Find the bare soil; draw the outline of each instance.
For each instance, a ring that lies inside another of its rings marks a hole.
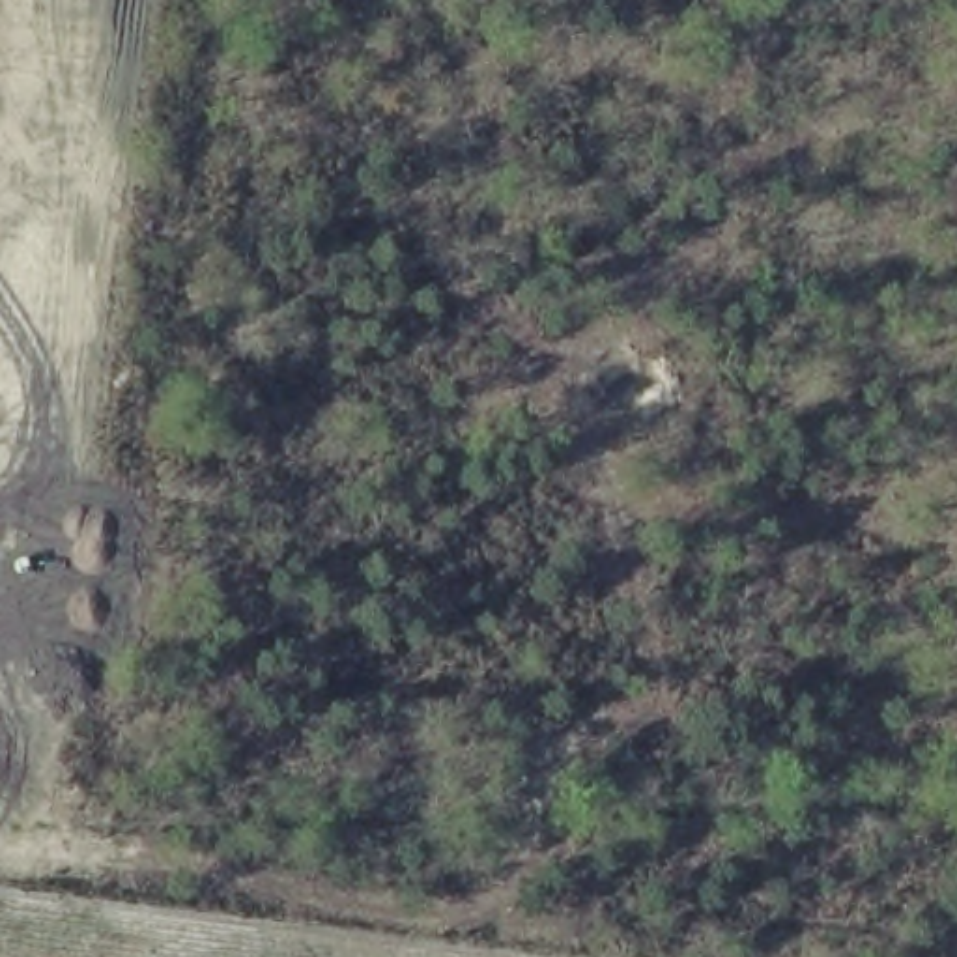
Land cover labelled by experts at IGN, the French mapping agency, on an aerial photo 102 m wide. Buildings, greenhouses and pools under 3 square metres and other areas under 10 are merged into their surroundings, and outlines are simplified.
[[[673,393],[669,363],[654,359],[647,370],[650,385],[639,393],[643,407],[662,404]]]

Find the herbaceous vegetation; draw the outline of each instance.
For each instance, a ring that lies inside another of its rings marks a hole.
[[[127,265],[127,243],[112,258],[108,295],[97,310],[93,336],[97,344],[116,344],[138,314],[138,284],[135,269]]]
[[[295,191],[299,183],[314,179],[299,164],[299,157],[307,153],[310,116],[303,108],[280,108],[265,97],[269,90],[277,90],[269,67],[228,67],[221,56],[213,67],[209,153],[202,161],[202,172],[232,183],[232,176],[243,168],[254,176],[258,194],[273,202],[284,202]]]
[[[243,355],[262,359],[284,348],[310,348],[303,303],[288,299],[277,310],[265,310],[262,299],[243,307],[243,321],[236,325],[236,333],[213,351],[194,348],[187,355],[183,374],[194,374],[209,393],[221,389],[221,381],[239,366]]]
[[[191,486],[172,464],[157,464],[157,486],[150,486],[142,497],[150,512],[146,550],[153,557],[150,583],[142,583],[138,591],[142,621],[150,598],[157,606],[179,609],[191,591],[202,591],[209,579],[206,512],[221,505],[224,490],[217,482]]]
[[[572,837],[553,826],[557,785],[564,770],[572,759],[591,759],[598,740],[613,733],[628,744],[617,751],[609,778],[639,807],[639,815],[658,815],[665,830],[684,849],[692,849],[688,867],[710,871],[718,856],[733,856],[740,864],[751,852],[733,845],[718,830],[721,819],[729,811],[729,789],[710,793],[699,774],[699,763],[684,759],[677,733],[677,718],[692,699],[688,692],[699,673],[692,662],[677,662],[684,647],[677,639],[680,621],[673,613],[662,613],[662,587],[669,583],[677,564],[647,557],[639,550],[639,535],[654,520],[669,520],[677,527],[680,520],[703,516],[710,505],[729,508],[729,501],[748,482],[744,467],[736,464],[736,452],[729,449],[733,430],[751,430],[751,445],[763,456],[763,475],[785,475],[785,452],[770,434],[770,415],[793,415],[807,441],[807,456],[793,479],[811,497],[867,497],[875,505],[882,497],[886,475],[912,475],[935,501],[935,516],[927,520],[923,542],[942,542],[950,553],[946,564],[942,572],[950,587],[942,587],[938,598],[927,606],[920,606],[916,576],[908,572],[901,572],[890,587],[867,591],[871,613],[849,609],[841,624],[841,654],[804,658],[778,684],[796,699],[811,695],[815,721],[822,729],[837,729],[837,744],[811,744],[800,759],[811,774],[819,781],[830,774],[845,785],[856,763],[886,759],[901,770],[901,785],[893,796],[908,807],[923,785],[923,759],[916,751],[935,744],[938,733],[946,740],[957,740],[957,0],[935,0],[935,11],[912,19],[916,56],[927,67],[920,82],[908,82],[901,71],[893,71],[867,49],[852,56],[834,56],[819,86],[793,93],[778,108],[766,108],[755,93],[759,67],[733,49],[729,67],[718,79],[710,79],[703,56],[677,56],[677,26],[650,34],[647,41],[636,41],[609,0],[606,0],[591,7],[587,26],[576,26],[553,19],[553,0],[523,0],[535,22],[535,49],[520,64],[508,64],[490,49],[482,26],[493,0],[434,0],[434,11],[445,19],[452,41],[471,56],[467,67],[475,75],[475,101],[501,120],[508,101],[531,82],[535,71],[542,71],[553,86],[561,79],[579,79],[594,67],[621,67],[613,97],[594,105],[591,123],[613,131],[632,127],[636,116],[665,120],[665,127],[647,142],[647,150],[613,146],[606,153],[609,164],[639,164],[639,172],[628,176],[621,191],[632,202],[636,228],[643,232],[643,250],[628,254],[617,236],[617,224],[606,213],[606,194],[613,191],[602,179],[557,191],[542,187],[535,194],[520,187],[520,202],[508,213],[493,209],[493,202],[486,198],[486,179],[493,172],[445,172],[415,187],[415,202],[426,206],[426,224],[422,232],[404,232],[396,243],[404,277],[400,303],[419,307],[426,318],[434,318],[441,340],[456,340],[467,321],[493,329],[493,359],[482,363],[479,351],[471,351],[471,359],[460,363],[460,374],[467,381],[456,385],[460,396],[456,404],[449,404],[460,422],[452,422],[445,437],[449,445],[467,452],[490,449],[490,434],[501,430],[501,411],[516,396],[523,404],[527,426],[538,437],[550,437],[553,426],[572,430],[572,441],[550,460],[564,467],[561,486],[579,493],[576,505],[564,505],[553,493],[535,493],[535,505],[561,508],[568,516],[557,538],[579,542],[579,564],[564,587],[572,594],[609,598],[613,598],[613,594],[624,594],[624,598],[632,602],[636,624],[647,628],[639,658],[632,669],[621,665],[609,677],[624,692],[624,699],[598,707],[594,714],[583,714],[579,729],[568,733],[564,744],[542,751],[523,748],[508,740],[490,740],[486,707],[482,699],[467,695],[437,699],[415,733],[363,736],[355,744],[344,744],[336,748],[336,755],[318,755],[310,748],[303,755],[284,759],[284,766],[273,778],[310,781],[318,789],[321,781],[340,778],[344,785],[363,785],[366,793],[389,796],[411,826],[407,837],[422,849],[422,882],[434,893],[434,901],[415,920],[404,920],[396,897],[400,878],[385,878],[374,871],[363,890],[340,890],[318,875],[310,875],[292,852],[292,837],[299,830],[295,819],[277,815],[265,830],[250,856],[236,856],[221,841],[209,852],[198,852],[187,830],[176,830],[150,834],[142,841],[138,871],[164,871],[168,893],[187,897],[191,908],[247,920],[288,920],[393,935],[404,942],[475,942],[535,957],[587,957],[591,931],[602,931],[609,923],[602,916],[598,897],[587,908],[564,908],[550,901],[550,916],[523,912],[516,905],[520,893],[512,890],[512,878],[523,867],[531,867],[542,852],[550,852],[568,871],[579,856],[583,837]],[[699,176],[673,150],[684,138],[684,112],[695,101],[703,105],[703,123],[740,116],[748,127],[748,146],[729,150],[710,172],[721,183],[721,206],[714,217],[703,217],[699,198],[688,202],[680,217],[662,209],[677,183]],[[931,157],[931,176],[946,187],[942,202],[923,202],[916,191],[897,183],[897,164],[920,153]],[[520,310],[520,288],[546,269],[572,269],[572,284],[557,288],[553,295],[538,295],[538,307]],[[695,318],[718,333],[721,348],[714,355],[703,355],[688,340],[673,336],[658,318],[658,299],[673,299],[695,310]],[[770,370],[766,385],[748,381],[759,340],[793,348],[793,355]],[[673,393],[662,404],[643,407],[639,393],[650,385],[647,370],[654,359],[669,363]],[[650,460],[669,479],[658,490],[658,497],[647,497],[643,505],[624,501],[621,482],[613,475],[613,452],[621,452],[632,441],[643,441],[650,449]],[[953,692],[916,692],[908,684],[901,662],[912,654],[920,639],[938,650],[950,650]],[[464,789],[479,815],[508,837],[497,867],[452,871],[445,864],[445,852],[437,849],[437,834],[426,811],[434,800],[456,789]]]
[[[138,153],[150,142],[150,131],[157,127],[153,90],[138,82],[127,138],[116,138],[123,191],[135,191],[157,187],[157,168],[150,168]]]
[[[396,56],[396,30],[393,22],[378,22],[359,60],[333,60],[325,90],[333,97],[333,108],[366,112],[370,105],[381,105],[385,112],[396,112],[419,127],[415,142],[430,142],[437,127],[452,120],[449,75],[437,56],[430,56],[407,79],[381,86],[374,71]]]
[[[796,938],[804,946],[800,957],[957,957],[957,834],[946,822],[935,822],[931,830],[908,837],[878,871],[860,871],[849,882],[841,882],[837,893],[826,893],[815,916],[804,920],[804,935]]]

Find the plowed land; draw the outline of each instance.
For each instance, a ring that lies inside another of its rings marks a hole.
[[[97,703],[105,688],[105,669],[112,654],[127,647],[131,632],[142,624],[142,621],[138,591],[142,583],[150,583],[153,557],[146,550],[150,512],[142,497],[97,475],[101,449],[93,445],[93,426],[97,411],[108,407],[105,374],[116,344],[97,344],[93,336],[97,310],[108,295],[112,258],[127,243],[135,191],[123,191],[116,138],[127,138],[138,82],[153,0],[0,0],[0,897],[7,890],[22,890],[26,875],[56,875],[60,867],[67,867],[79,878],[101,871],[138,871],[142,841],[108,837],[112,807],[101,807],[79,785],[71,785],[71,770],[90,759],[93,733],[82,707]]]

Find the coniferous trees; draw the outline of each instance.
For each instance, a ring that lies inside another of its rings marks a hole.
[[[632,632],[636,624],[632,602],[624,598],[624,594],[613,594],[613,598],[609,598],[609,606],[606,606],[606,609],[609,609],[609,632]]]
[[[415,920],[434,901],[434,893],[422,882],[422,849],[407,837],[396,845],[404,867],[400,878],[396,897],[404,920]]]
[[[733,845],[751,852],[763,845],[755,822],[721,819],[718,830]]]
[[[482,26],[490,49],[508,64],[520,64],[535,49],[535,22],[523,0],[493,0]]]
[[[381,602],[366,598],[359,606],[359,624],[381,647],[389,643],[393,624]]]
[[[400,153],[389,142],[374,142],[359,172],[359,183],[366,198],[389,202]]]
[[[807,456],[807,441],[793,415],[770,415],[770,434],[785,452],[785,475],[793,479]]]
[[[538,295],[553,295],[557,288],[572,284],[572,269],[546,269],[520,288],[520,310],[538,307]]]
[[[325,221],[321,179],[314,179],[299,183],[295,191],[295,209],[303,217]]]
[[[314,621],[329,621],[329,617],[333,617],[333,583],[325,579],[325,576],[321,576],[318,583],[314,583],[314,587],[310,587],[310,617],[314,617]]]
[[[321,714],[310,748],[318,755],[336,755],[336,748],[344,744],[340,736],[355,721],[355,707],[333,703]]]
[[[258,665],[269,673],[292,673],[295,647],[277,643],[258,654]]]
[[[493,202],[493,209],[508,213],[520,202],[520,187],[516,168],[505,164],[493,172],[486,179],[486,198]]]
[[[280,725],[295,718],[299,699],[273,699],[265,688],[243,680],[239,699],[262,725]]]
[[[591,856],[598,871],[613,871],[617,849],[606,815],[583,837],[579,856]]]
[[[467,452],[464,486],[479,497],[493,497],[520,471],[538,471],[550,460],[572,441],[572,430],[553,426],[550,437],[538,437],[527,426],[523,404],[516,396],[501,411],[501,430],[490,434],[490,449]]]
[[[179,684],[191,688],[194,680],[213,673],[224,647],[243,636],[243,624],[224,613],[198,639],[198,654],[168,662],[168,669],[161,673],[161,692],[172,695]]]
[[[901,785],[901,770],[886,759],[856,763],[845,785],[849,800],[893,796]]]
[[[677,927],[677,908],[669,890],[658,878],[650,878],[639,882],[636,912],[658,935],[669,938]]]
[[[763,699],[781,721],[774,748],[751,736],[748,710],[755,699]],[[699,763],[721,759],[729,748],[736,748],[744,759],[766,770],[774,751],[789,751],[800,759],[811,744],[837,744],[837,729],[822,729],[815,721],[811,695],[796,699],[778,684],[755,673],[740,673],[736,688],[721,703],[692,699],[677,718],[677,733],[684,759]]]
[[[878,871],[908,837],[931,830],[935,822],[946,822],[957,834],[957,740],[946,740],[938,733],[935,744],[916,751],[923,759],[923,785],[908,807],[893,822],[871,815],[860,819],[852,841],[860,871]]]
[[[654,520],[639,535],[639,550],[647,557],[677,564],[677,527],[669,520]]]
[[[344,860],[333,841],[318,856],[318,875],[340,890],[363,890],[374,871],[366,864]]]
[[[699,890],[703,905],[721,905],[740,864],[733,856],[718,856],[710,871]]]
[[[733,430],[729,449],[736,452],[736,464],[744,467],[748,482],[763,475],[763,456],[751,445],[751,430]]]
[[[535,71],[531,82],[508,101],[501,120],[508,131],[523,131],[538,97],[553,86],[542,71]]]
[[[688,202],[699,198],[703,217],[714,217],[721,206],[721,183],[710,172],[699,176],[677,183],[662,209],[680,217]]]
[[[643,250],[643,232],[636,228],[632,202],[621,191],[613,191],[606,194],[606,213],[617,224],[617,236],[628,254]]]
[[[333,815],[325,811],[318,789],[310,781],[273,778],[254,796],[247,822],[265,830],[277,815],[295,819],[299,830],[314,834],[321,845],[333,841]]]
[[[512,890],[520,893],[516,905],[523,912],[550,916],[550,901],[557,886],[568,886],[568,871],[550,852],[542,852],[531,867],[523,867],[512,878]]]
[[[490,740],[508,740],[523,748],[527,718],[505,710],[501,703],[486,707]]]
[[[617,751],[628,744],[613,733],[598,740],[591,759],[572,759],[564,770],[583,785],[606,785],[609,778]]]
[[[325,288],[329,295],[340,295],[351,307],[359,307],[363,321],[333,321],[333,366],[340,374],[355,370],[366,348],[381,355],[396,351],[400,329],[393,325],[393,310],[400,303],[404,277],[396,243],[389,236],[378,236],[374,243],[355,243],[333,254]]]
[[[946,564],[923,557],[908,572],[916,576],[920,606],[927,606],[938,598],[942,587],[950,587],[942,572]]]
[[[748,381],[766,385],[770,370],[793,355],[793,348],[759,340]]]
[[[579,564],[579,542],[557,538],[557,546],[535,576],[535,598],[561,602],[564,587]]]
[[[400,471],[393,430],[374,430],[363,445],[374,467],[359,482],[340,486],[344,505],[363,516],[374,512],[374,505],[381,501],[378,490]]]
[[[658,318],[673,336],[688,340],[703,355],[714,355],[721,348],[718,333],[695,318],[695,310],[673,299],[658,299]]]

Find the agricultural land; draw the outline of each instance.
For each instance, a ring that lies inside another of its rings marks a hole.
[[[288,920],[247,920],[191,908],[22,890],[7,890],[0,897],[0,957],[535,957],[475,942],[404,942],[393,935]]]

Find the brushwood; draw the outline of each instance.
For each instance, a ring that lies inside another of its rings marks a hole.
[[[781,721],[763,699],[755,699],[748,710],[751,736],[774,748]]]
[[[273,202],[258,194],[254,176],[243,168],[232,176],[232,183],[202,172],[202,161],[209,153],[213,67],[221,56],[224,37],[206,0],[164,0],[161,7],[168,15],[179,15],[183,37],[194,45],[194,56],[183,79],[164,79],[153,90],[157,127],[176,142],[172,164],[183,176],[179,198],[164,198],[157,187],[135,191],[127,243],[127,265],[135,269],[138,284],[138,314],[116,344],[105,374],[108,407],[97,411],[93,426],[93,445],[101,449],[97,475],[142,497],[150,486],[157,486],[157,464],[172,464],[191,486],[217,482],[224,490],[221,505],[206,512],[209,579],[221,591],[224,613],[243,624],[243,636],[224,647],[213,673],[194,680],[191,688],[179,684],[172,695],[161,692],[161,673],[168,669],[168,662],[198,654],[198,639],[157,639],[142,624],[131,632],[127,647],[138,658],[131,699],[123,703],[105,688],[97,703],[82,707],[93,733],[90,759],[71,770],[71,785],[79,785],[101,807],[112,807],[108,837],[142,841],[150,834],[176,830],[187,830],[198,852],[209,852],[221,841],[236,822],[247,822],[254,796],[273,778],[284,766],[284,759],[303,755],[310,748],[321,714],[333,703],[355,707],[355,721],[340,736],[344,744],[355,744],[363,736],[415,733],[437,699],[467,695],[482,699],[486,707],[501,703],[505,710],[527,718],[523,748],[542,751],[564,744],[568,733],[579,729],[583,714],[594,714],[598,707],[624,699],[624,692],[609,677],[621,665],[632,669],[639,658],[647,628],[636,624],[632,632],[609,632],[609,609],[606,609],[606,606],[609,606],[609,598],[572,594],[564,587],[561,602],[535,598],[535,576],[557,546],[557,538],[568,516],[561,508],[535,505],[535,493],[553,493],[564,505],[576,505],[579,493],[561,486],[564,467],[550,460],[538,471],[520,471],[493,497],[479,497],[464,486],[467,452],[449,445],[445,437],[452,422],[460,422],[449,404],[456,404],[460,396],[456,385],[467,381],[460,374],[460,363],[471,359],[471,351],[479,351],[482,363],[493,359],[493,329],[467,321],[456,340],[441,340],[434,318],[426,318],[419,307],[400,303],[393,310],[393,325],[400,329],[396,351],[381,355],[366,348],[355,370],[340,374],[333,366],[333,321],[363,321],[359,307],[351,307],[340,295],[329,295],[325,288],[333,254],[355,243],[374,243],[378,236],[389,236],[396,243],[404,232],[422,232],[426,224],[426,206],[415,202],[415,187],[445,172],[493,172],[505,164],[516,168],[520,187],[535,194],[542,187],[557,191],[602,179],[613,191],[621,191],[628,176],[639,172],[639,164],[609,164],[606,153],[613,146],[647,150],[647,142],[665,127],[665,120],[636,116],[632,127],[613,131],[591,123],[594,105],[613,97],[621,67],[594,67],[579,79],[561,79],[553,86],[538,97],[523,131],[508,131],[501,120],[475,101],[475,75],[467,67],[471,56],[452,41],[445,19],[434,11],[434,0],[288,0],[273,22],[280,37],[280,56],[269,67],[277,90],[269,90],[265,97],[280,108],[303,108],[310,116],[307,153],[299,157],[299,164],[314,179],[321,179],[325,221],[303,217],[295,209],[295,191],[284,202]],[[407,79],[430,56],[437,56],[449,75],[452,120],[437,127],[430,142],[415,142],[419,127],[396,112],[385,112],[381,105],[370,105],[366,112],[333,108],[333,97],[325,90],[333,60],[359,60],[378,22],[393,22],[396,30],[396,56],[374,71],[381,86]],[[374,142],[389,142],[400,153],[389,202],[366,198],[359,183],[359,172]],[[194,277],[194,265],[221,243],[228,243],[243,258],[250,280],[262,288],[262,299],[265,310],[277,310],[288,299],[303,303],[310,348],[284,348],[262,359],[243,355],[239,366],[221,381],[221,389],[209,393],[202,411],[217,422],[236,426],[236,434],[243,437],[239,456],[183,456],[168,445],[150,445],[146,426],[153,407],[161,404],[161,389],[172,374],[183,374],[187,355],[194,348],[213,351],[236,333],[236,325],[243,321],[243,307],[209,307],[202,314],[191,310],[187,284]],[[374,512],[363,516],[344,505],[340,486],[359,482],[374,467],[363,445],[374,430],[393,430],[400,471],[378,490],[381,501],[374,505]],[[329,621],[314,621],[314,617],[310,617],[310,587],[314,587],[314,583],[318,583],[321,576],[325,576],[325,579],[333,583],[333,617],[329,617]],[[381,602],[393,624],[389,643],[381,647],[359,624],[359,606],[366,598]],[[292,673],[269,673],[258,665],[258,654],[277,643],[295,647]],[[265,688],[273,699],[299,699],[295,718],[280,725],[262,725],[239,699],[243,680]],[[172,789],[157,789],[150,774],[153,751],[179,744],[198,744],[202,763],[194,770],[183,770]]]
[[[946,564],[950,553],[942,542],[923,542],[897,546],[890,535],[871,531],[864,516],[875,505],[867,497],[811,497],[793,479],[785,475],[763,475],[748,482],[729,501],[729,508],[710,505],[703,516],[680,520],[677,527],[677,564],[669,583],[662,587],[662,613],[673,613],[680,621],[677,639],[684,647],[677,662],[692,662],[699,673],[688,692],[692,699],[721,703],[736,688],[740,673],[755,673],[778,684],[804,658],[841,654],[841,624],[849,609],[871,613],[867,591],[890,587],[901,572],[908,572],[923,557]]]
[[[553,0],[553,19],[576,26],[587,26],[591,7],[606,0]]]
[[[796,938],[804,935],[804,920],[815,916],[826,893],[837,893],[841,882],[849,882],[860,871],[852,841],[860,819],[871,815],[893,822],[908,807],[893,796],[849,800],[845,785],[830,774],[819,781],[811,774],[804,804],[811,815],[830,815],[830,830],[819,837],[789,841],[766,804],[766,770],[744,759],[736,748],[729,748],[721,759],[699,763],[699,774],[710,793],[729,789],[729,811],[721,819],[755,822],[763,845],[751,852],[740,864],[721,905],[703,905],[699,890],[710,871],[688,867],[692,849],[684,849],[665,830],[662,837],[628,841],[617,849],[613,871],[598,871],[591,856],[579,856],[568,871],[568,886],[557,886],[550,901],[564,908],[587,908],[598,897],[602,916],[609,923],[624,931],[624,938],[632,942],[632,957],[677,957],[688,950],[699,923],[718,923],[721,931],[729,931],[748,950],[744,957],[800,957],[804,946]],[[669,890],[677,908],[677,927],[669,938],[658,935],[636,912],[639,882],[650,878],[658,878]]]
[[[168,893],[164,871],[138,871],[101,871],[79,878],[67,867],[60,867],[56,875],[26,875],[22,890],[191,908],[187,897]]]
[[[673,150],[699,176],[710,172],[729,150],[748,146],[748,127],[740,116],[703,123],[703,105],[695,101],[684,112],[684,138]]]
[[[852,56],[867,49],[893,71],[901,71],[908,82],[920,82],[927,67],[916,56],[912,19],[935,11],[935,0],[785,0],[778,15],[744,19],[733,34],[733,49],[759,67],[755,93],[766,108],[778,108],[793,93],[819,86],[834,56]]]
[[[647,41],[650,34],[677,26],[684,11],[699,0],[609,0],[636,41]]]
[[[333,815],[333,841],[344,860],[366,864],[374,871],[385,878],[400,878],[404,867],[396,845],[407,837],[411,826],[389,796],[366,793],[363,785],[344,785],[340,778],[321,781],[318,789],[325,811]]]

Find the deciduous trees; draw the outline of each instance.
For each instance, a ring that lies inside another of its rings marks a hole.
[[[662,837],[665,830],[658,815],[639,815],[639,807],[609,778],[606,785],[583,785],[564,770],[557,785],[553,826],[572,837],[583,837],[606,815],[617,849],[628,841]]]
[[[942,202],[946,187],[931,176],[931,157],[920,153],[897,164],[897,183],[916,191],[923,202]]]
[[[209,307],[243,307],[262,299],[262,288],[250,280],[243,258],[228,243],[221,243],[194,265],[194,277],[187,284],[191,310],[202,314]]]
[[[643,505],[647,497],[658,497],[658,490],[669,479],[650,460],[650,449],[643,441],[632,441],[621,452],[613,452],[613,475],[621,482],[624,501]]]
[[[164,198],[179,198],[183,176],[172,164],[176,142],[157,127],[150,131],[150,142],[138,153],[150,168],[157,168],[157,187]]]
[[[224,613],[221,591],[209,579],[202,591],[191,591],[179,609],[157,606],[150,598],[142,621],[142,624],[157,639],[198,639]]]
[[[591,931],[587,957],[632,957],[632,942],[624,938],[624,931],[609,923],[602,931]]]
[[[912,475],[886,475],[882,497],[875,505],[864,516],[871,531],[890,535],[897,546],[923,542],[927,520],[935,516],[935,501]]]
[[[748,950],[729,931],[721,931],[718,923],[699,923],[688,950],[677,957],[744,957]]]
[[[766,804],[789,841],[819,837],[830,830],[830,815],[811,815],[804,804],[811,774],[800,759],[789,751],[774,751],[766,770]]]
[[[194,374],[183,374],[172,374],[161,389],[161,404],[153,407],[146,426],[150,445],[168,445],[183,456],[239,456],[243,437],[236,434],[236,426],[217,422],[202,411],[209,393]]]
[[[164,0],[153,0],[138,82],[153,90],[164,79],[183,79],[194,56],[194,45],[183,37],[179,15],[168,15],[161,7]]]
[[[437,834],[437,849],[445,852],[445,864],[452,871],[497,867],[508,837],[479,815],[464,789],[456,789],[434,800],[426,811]]]
[[[269,67],[280,56],[280,37],[273,22],[288,0],[206,0],[224,37],[221,56],[228,67]]]
[[[179,744],[153,751],[150,774],[157,789],[172,789],[183,770],[194,770],[202,763],[198,744]]]
[[[314,834],[299,830],[292,837],[292,852],[310,875],[318,875],[318,856],[333,841],[321,845]]]
[[[236,856],[250,856],[265,830],[247,822],[236,822],[221,841]]]
[[[950,650],[938,650],[920,639],[912,654],[901,662],[908,684],[916,692],[953,692]]]
[[[729,67],[733,49],[733,34],[744,19],[778,15],[785,0],[699,0],[684,11],[677,26],[677,56],[703,56],[710,79],[718,79]]]
[[[138,658],[127,647],[112,654],[105,669],[105,688],[123,703],[131,699]]]

